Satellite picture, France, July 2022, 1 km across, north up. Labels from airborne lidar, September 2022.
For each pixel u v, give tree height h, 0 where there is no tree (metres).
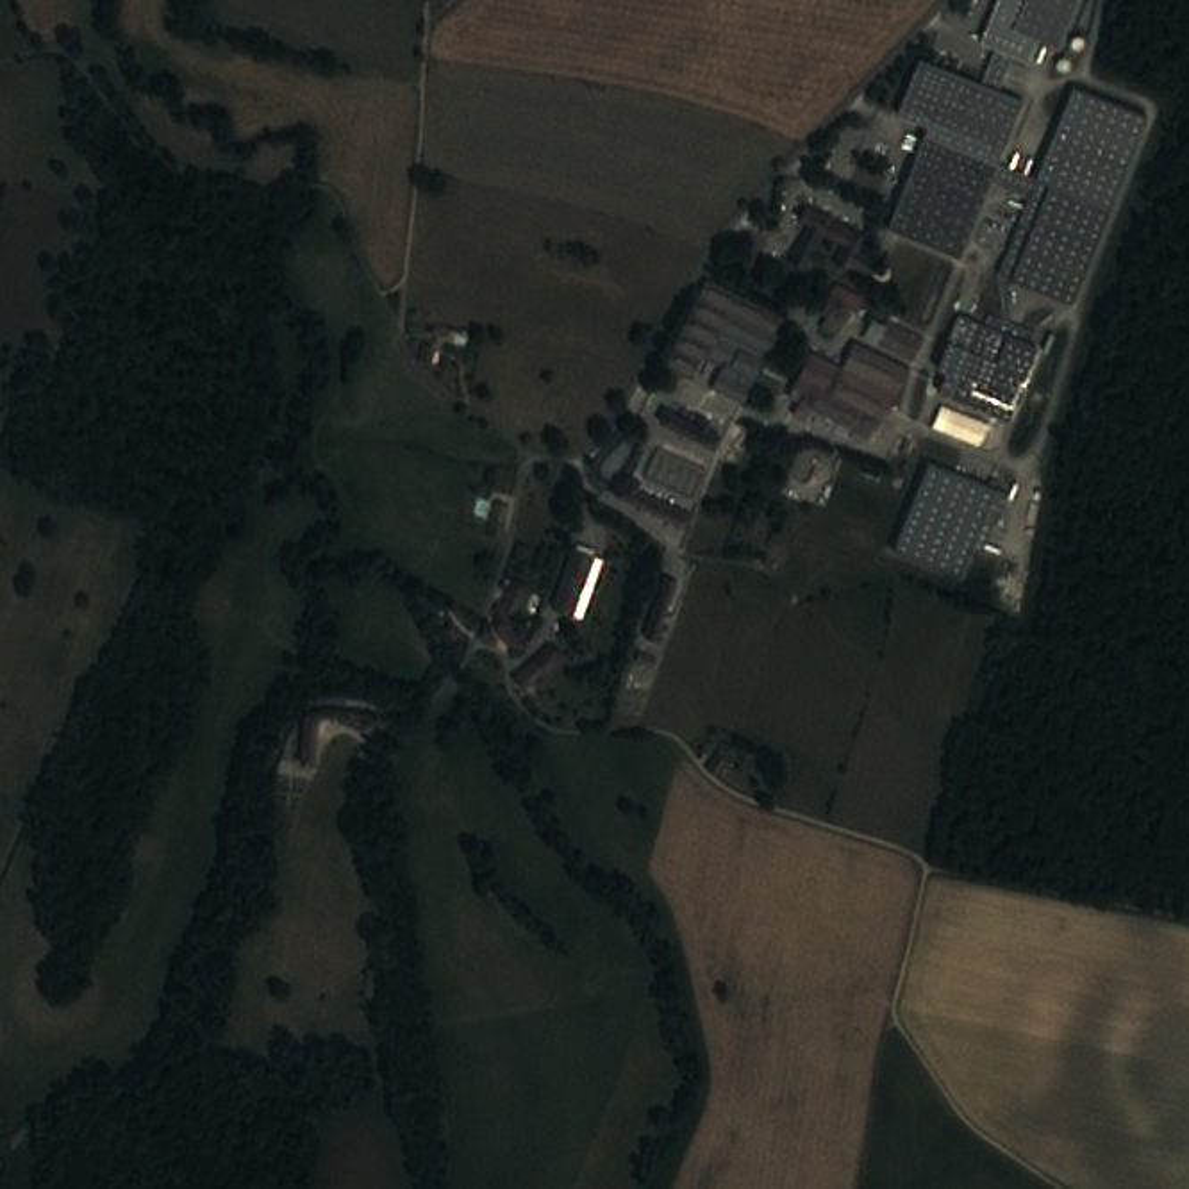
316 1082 18
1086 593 24
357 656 0
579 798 0
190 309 19
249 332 7
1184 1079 0
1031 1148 0
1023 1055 0
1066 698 17
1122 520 26
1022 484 0
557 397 0
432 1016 18
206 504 27
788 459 0
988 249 0
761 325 0
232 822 20
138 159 9
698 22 0
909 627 0
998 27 0
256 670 0
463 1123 0
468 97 0
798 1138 0
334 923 0
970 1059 0
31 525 0
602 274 0
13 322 0
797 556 0
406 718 26
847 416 0
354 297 0
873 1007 0
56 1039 0
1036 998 0
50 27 0
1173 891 22
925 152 0
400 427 0
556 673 0
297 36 0
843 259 0
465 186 0
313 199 10
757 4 0
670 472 0
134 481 23
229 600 0
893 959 0
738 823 0
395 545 0
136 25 0
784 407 0
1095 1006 0
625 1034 0
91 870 26
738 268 21
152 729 26
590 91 0
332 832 0
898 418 0
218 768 0
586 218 0
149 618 12
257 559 0
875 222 18
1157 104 0
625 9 0
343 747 0
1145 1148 0
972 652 0
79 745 9
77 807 23
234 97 0
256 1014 0
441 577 0
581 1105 0
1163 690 21
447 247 0
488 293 0
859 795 0
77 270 18
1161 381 22
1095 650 25
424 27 7
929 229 0
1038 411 0
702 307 0
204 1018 29
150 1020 0
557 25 0
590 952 0
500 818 0
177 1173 28
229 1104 23
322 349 11
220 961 29
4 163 0
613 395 13
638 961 0
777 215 11
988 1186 0
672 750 0
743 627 0
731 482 10
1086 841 23
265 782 17
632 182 0
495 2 0
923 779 0
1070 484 8
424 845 0
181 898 0
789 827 0
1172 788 23
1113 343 20
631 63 0
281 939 0
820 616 0
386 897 19
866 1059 0
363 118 0
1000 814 25
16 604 0
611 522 11
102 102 19
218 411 23
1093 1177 0
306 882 0
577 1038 0
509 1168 0
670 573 0
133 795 19
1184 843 26
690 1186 0
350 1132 0
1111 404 29
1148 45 23
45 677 0
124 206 25
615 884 16
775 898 0
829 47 0
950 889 0
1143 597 25
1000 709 13
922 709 0
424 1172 20
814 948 0
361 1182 0
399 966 20
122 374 24
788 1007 0
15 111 0
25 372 19
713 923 0
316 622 13
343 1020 0
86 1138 25
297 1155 18
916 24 0
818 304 15
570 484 14
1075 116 0
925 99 0
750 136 0
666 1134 12
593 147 0
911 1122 0
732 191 0
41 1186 13
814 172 18
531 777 27
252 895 28
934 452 0
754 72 0
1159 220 26
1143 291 17
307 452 0
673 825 0
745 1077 0
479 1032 0
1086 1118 0
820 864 0
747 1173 0
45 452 23
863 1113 0
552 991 0
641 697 0
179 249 25
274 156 0
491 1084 0
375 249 0
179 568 23
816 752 0
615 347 0
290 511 0
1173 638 24
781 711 0
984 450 0
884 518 0
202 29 15
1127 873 21
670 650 0
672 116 0
